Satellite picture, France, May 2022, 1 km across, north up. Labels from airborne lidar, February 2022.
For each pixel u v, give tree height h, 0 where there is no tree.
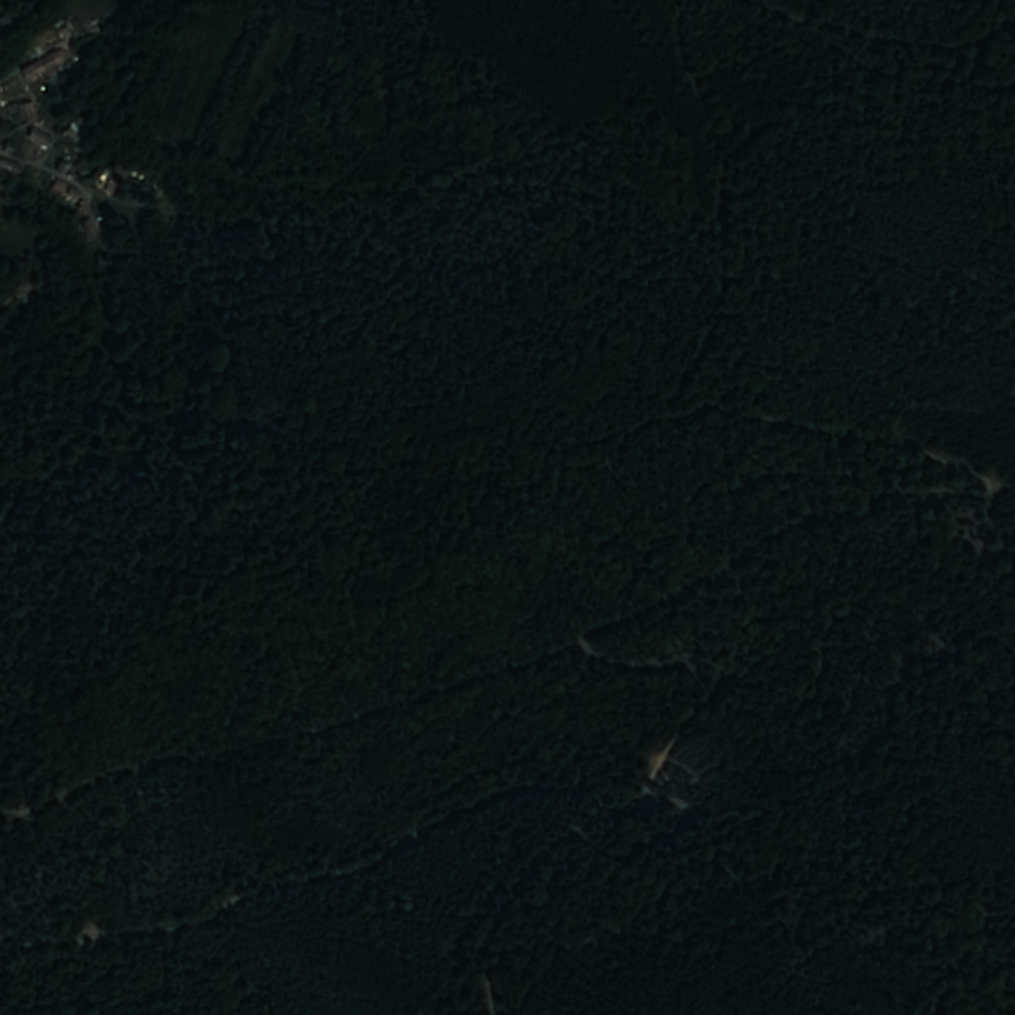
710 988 9
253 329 24
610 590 22
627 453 21
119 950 15
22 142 0
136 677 14
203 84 0
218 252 29
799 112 21
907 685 14
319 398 26
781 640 21
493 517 17
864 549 25
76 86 16
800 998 10
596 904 23
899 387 17
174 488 30
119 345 26
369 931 13
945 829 27
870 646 11
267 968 7
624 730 16
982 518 12
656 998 11
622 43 17
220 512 30
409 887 21
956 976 25
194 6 18
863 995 9
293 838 16
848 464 28
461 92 13
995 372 20
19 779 8
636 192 18
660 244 17
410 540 10
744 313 23
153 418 30
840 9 18
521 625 18
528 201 26
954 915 25
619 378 21
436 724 13
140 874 6
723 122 18
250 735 12
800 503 24
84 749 15
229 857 12
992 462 11
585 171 32
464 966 23
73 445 21
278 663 20
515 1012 18
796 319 21
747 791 15
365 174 13
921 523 30
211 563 17
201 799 16
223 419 0
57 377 20
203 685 13
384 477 12
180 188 10
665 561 23
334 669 18
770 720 18
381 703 15
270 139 22
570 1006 11
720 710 21
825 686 15
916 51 21
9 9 19
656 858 23
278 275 30
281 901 15
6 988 16
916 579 24
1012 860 21
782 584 27
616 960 14
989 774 20
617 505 18
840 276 21
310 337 26
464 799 22
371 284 26
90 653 14
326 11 23
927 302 16
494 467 18
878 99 21
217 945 16
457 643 18
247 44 10
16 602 30
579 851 21
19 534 17
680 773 7
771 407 21
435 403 24
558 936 24
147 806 6
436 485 16
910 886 24
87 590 16
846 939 11
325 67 20
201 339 11
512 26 19
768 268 26
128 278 9
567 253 23
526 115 22
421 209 9
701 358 24
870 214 20
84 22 0
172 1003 25
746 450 22
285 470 24
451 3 19
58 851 9
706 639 26
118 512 32
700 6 16
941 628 22
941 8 23
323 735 10
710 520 23
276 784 15
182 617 13
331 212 10
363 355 29
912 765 23
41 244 10
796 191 20
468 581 12
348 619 20
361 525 10
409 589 18
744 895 18
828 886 26
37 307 17
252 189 9
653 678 18
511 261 26
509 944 23
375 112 26
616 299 30
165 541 15
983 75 23
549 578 18
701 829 23
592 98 17
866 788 23
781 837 28
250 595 17
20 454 31
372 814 16
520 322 20
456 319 28
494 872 19
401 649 16
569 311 23
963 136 20
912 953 23
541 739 15
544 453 16
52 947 9
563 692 12
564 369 23
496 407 25
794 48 15
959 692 25
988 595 25
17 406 22
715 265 24
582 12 17
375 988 13
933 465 24
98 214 0
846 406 19
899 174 21
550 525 18
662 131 26
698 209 16
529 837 25
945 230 21
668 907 28
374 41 22
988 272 17
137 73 17
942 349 22
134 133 17
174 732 10
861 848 22
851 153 22
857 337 20
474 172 27
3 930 28
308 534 21
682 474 21
